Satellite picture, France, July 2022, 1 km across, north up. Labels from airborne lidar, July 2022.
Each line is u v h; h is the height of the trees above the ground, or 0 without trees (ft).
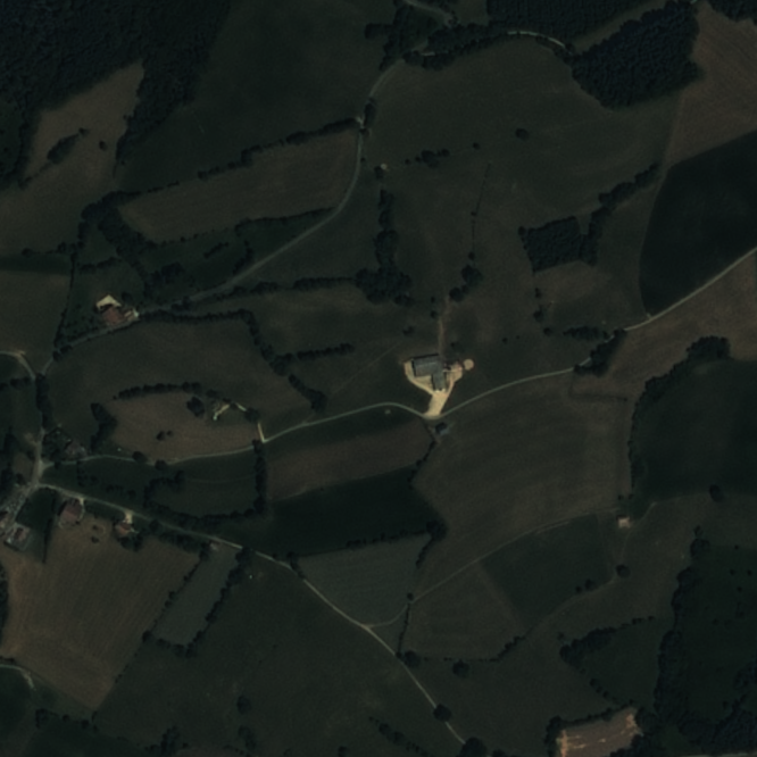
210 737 0
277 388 0
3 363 0
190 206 0
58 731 0
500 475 0
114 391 0
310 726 0
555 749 56
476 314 0
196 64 80
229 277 0
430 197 0
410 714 0
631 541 0
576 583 0
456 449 0
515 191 0
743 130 0
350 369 0
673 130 0
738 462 0
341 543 0
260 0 0
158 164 0
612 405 0
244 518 40
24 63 80
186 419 0
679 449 0
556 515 0
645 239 0
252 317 56
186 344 0
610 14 37
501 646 0
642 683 0
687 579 61
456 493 0
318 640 0
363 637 0
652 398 34
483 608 0
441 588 0
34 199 0
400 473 0
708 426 0
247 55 0
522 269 0
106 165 0
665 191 0
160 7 37
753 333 0
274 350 47
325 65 0
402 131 0
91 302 0
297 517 0
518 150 0
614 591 0
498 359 0
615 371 0
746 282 0
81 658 0
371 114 54
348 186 0
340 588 0
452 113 0
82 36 62
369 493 0
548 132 0
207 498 0
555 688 0
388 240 62
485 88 0
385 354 0
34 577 0
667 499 0
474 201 0
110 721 0
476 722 0
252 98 0
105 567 0
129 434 0
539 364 0
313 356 49
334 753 0
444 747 0
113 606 0
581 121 0
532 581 0
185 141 0
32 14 77
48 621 0
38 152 0
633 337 0
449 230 0
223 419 0
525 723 0
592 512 0
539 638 0
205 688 0
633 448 23
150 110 63
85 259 0
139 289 0
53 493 31
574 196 0
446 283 0
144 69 42
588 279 0
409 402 0
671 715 70
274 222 29
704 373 0
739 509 0
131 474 0
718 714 0
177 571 0
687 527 0
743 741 68
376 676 0
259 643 0
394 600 0
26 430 0
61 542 0
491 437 0
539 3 62
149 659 0
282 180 0
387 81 0
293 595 0
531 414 0
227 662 0
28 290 0
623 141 0
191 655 42
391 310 0
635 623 40
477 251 0
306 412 0
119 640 0
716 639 0
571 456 0
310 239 0
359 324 0
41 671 0
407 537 31
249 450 0
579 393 0
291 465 0
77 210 0
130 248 85
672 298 0
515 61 0
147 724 0
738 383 0
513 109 0
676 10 85
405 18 58
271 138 0
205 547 46
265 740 0
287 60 0
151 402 0
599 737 0
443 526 20
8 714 0
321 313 0
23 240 0
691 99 0
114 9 56
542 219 0
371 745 0
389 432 0
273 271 0
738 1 63
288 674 0
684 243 0
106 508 0
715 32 0
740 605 17
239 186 0
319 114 0
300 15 0
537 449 0
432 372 0
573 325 0
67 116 0
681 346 0
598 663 0
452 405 0
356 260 0
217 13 55
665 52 91
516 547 0
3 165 36
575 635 0
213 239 0
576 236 24
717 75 0
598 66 81
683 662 24
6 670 0
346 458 0
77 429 0
